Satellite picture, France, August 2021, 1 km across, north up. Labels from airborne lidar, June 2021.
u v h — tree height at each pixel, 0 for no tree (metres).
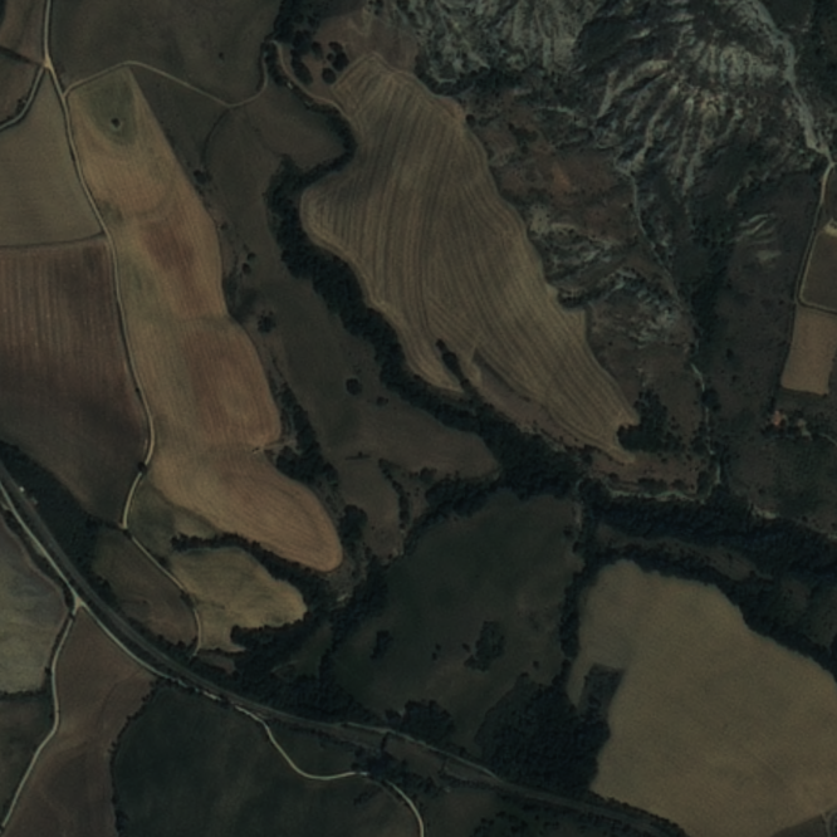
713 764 0
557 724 12
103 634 0
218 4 0
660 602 0
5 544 0
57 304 0
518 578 0
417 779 9
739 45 0
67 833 0
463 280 0
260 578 0
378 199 0
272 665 14
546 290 0
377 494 0
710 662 0
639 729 0
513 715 9
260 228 0
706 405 13
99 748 0
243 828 0
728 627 0
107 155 0
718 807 0
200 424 0
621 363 0
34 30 0
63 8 0
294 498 0
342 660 0
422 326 0
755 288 0
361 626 9
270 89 0
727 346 0
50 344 0
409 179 0
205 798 0
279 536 0
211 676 7
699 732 0
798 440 7
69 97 0
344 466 0
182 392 0
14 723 0
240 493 0
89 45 0
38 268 0
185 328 0
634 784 0
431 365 0
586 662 0
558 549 0
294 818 0
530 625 0
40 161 0
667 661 0
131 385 0
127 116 0
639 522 11
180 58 0
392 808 0
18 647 0
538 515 0
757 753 0
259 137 0
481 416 21
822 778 0
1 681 0
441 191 0
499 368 0
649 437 11
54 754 0
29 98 0
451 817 0
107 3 0
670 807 0
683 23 0
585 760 15
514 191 0
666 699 0
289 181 9
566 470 13
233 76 0
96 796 0
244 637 11
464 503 21
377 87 0
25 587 0
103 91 0
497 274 0
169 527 0
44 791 0
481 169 0
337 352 0
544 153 0
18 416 0
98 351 0
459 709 0
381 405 8
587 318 0
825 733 0
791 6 0
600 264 0
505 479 6
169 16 0
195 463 0
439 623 0
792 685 0
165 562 10
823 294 0
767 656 0
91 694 0
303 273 10
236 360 0
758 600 7
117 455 0
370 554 8
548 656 0
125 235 0
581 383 0
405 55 0
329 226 0
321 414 0
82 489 0
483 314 0
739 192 7
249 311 0
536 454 12
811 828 0
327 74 13
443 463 0
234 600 0
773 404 11
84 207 0
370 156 0
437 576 0
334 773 0
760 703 0
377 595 19
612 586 0
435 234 0
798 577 10
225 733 0
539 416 0
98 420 0
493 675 0
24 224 0
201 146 0
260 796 0
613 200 0
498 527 0
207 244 0
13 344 0
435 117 0
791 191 0
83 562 9
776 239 0
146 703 6
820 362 0
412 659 0
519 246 0
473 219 0
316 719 10
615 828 6
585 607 0
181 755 0
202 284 0
